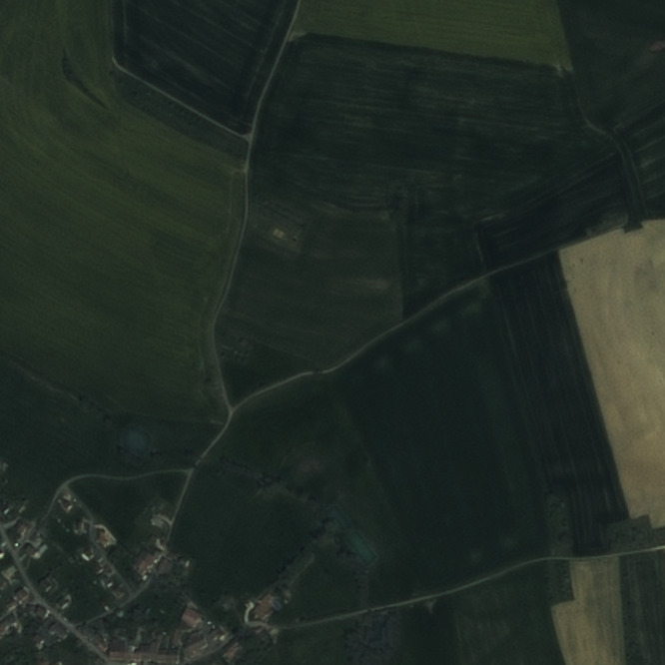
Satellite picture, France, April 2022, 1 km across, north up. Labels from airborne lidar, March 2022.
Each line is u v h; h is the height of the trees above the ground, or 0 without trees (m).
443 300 0
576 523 0
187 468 0
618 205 0
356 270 0
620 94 0
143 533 0
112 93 0
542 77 0
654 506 0
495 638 0
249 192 0
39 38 0
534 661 0
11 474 0
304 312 0
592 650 0
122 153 0
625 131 0
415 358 0
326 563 0
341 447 0
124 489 0
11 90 0
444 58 0
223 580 0
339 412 0
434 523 0
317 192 0
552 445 0
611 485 0
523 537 0
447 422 0
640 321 0
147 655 0
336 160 0
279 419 0
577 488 0
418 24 0
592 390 0
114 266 0
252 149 0
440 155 0
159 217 0
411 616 0
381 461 0
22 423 0
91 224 0
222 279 0
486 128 0
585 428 0
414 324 0
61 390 0
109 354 0
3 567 0
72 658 0
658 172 0
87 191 0
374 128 0
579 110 0
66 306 0
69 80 8
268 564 0
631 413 0
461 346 0
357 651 17
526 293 0
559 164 0
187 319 0
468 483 0
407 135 0
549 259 0
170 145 0
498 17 0
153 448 0
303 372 0
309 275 0
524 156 0
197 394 0
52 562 0
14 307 0
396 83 0
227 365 0
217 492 0
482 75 0
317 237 0
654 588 0
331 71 0
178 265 0
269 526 0
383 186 0
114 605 0
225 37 0
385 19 0
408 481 0
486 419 0
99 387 0
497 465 0
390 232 0
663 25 0
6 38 0
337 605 0
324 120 0
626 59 0
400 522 0
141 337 0
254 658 11
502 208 0
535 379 0
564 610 0
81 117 0
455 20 0
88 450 0
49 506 0
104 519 0
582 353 0
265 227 0
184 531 0
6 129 0
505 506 0
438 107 0
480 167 0
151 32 0
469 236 0
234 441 0
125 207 0
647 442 0
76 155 0
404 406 0
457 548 0
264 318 0
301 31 0
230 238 0
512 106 0
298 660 0
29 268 0
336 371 0
